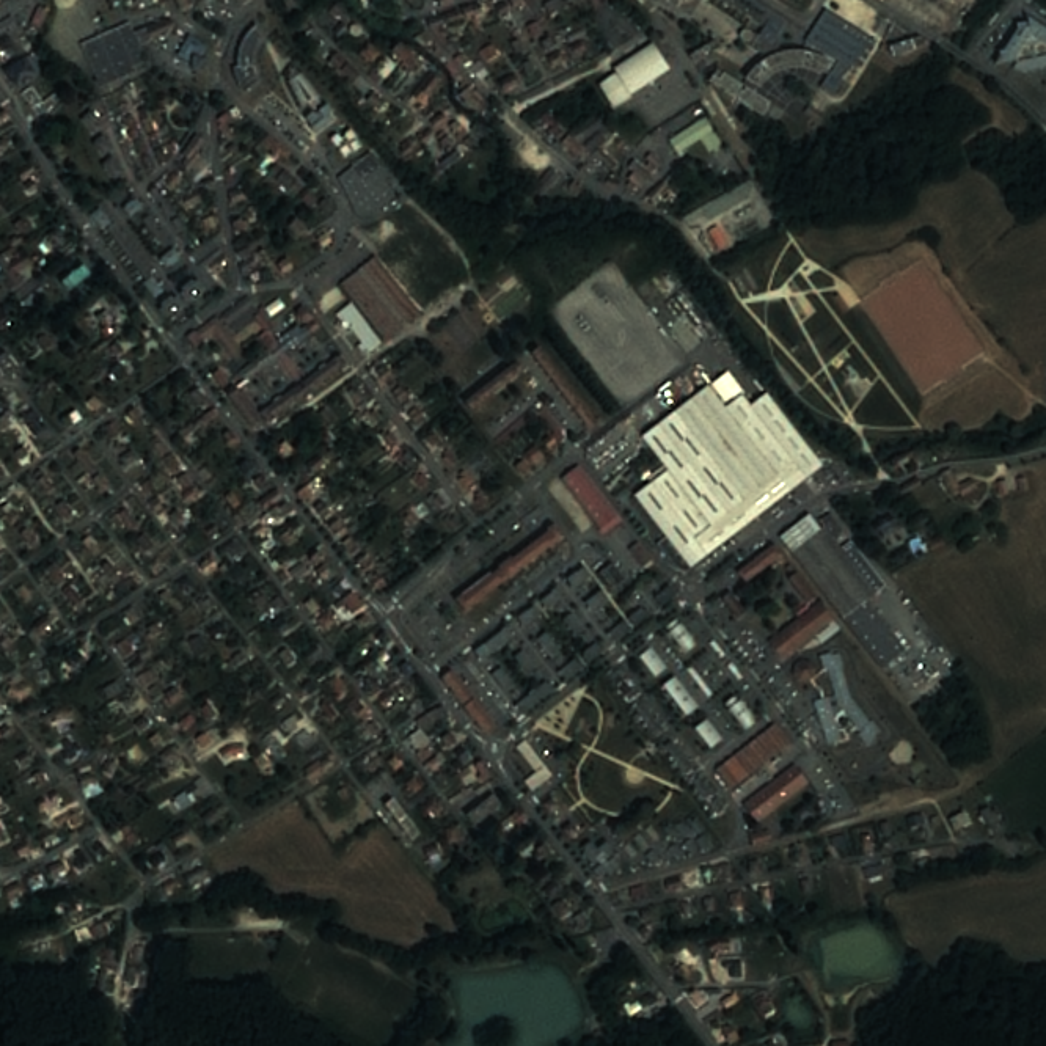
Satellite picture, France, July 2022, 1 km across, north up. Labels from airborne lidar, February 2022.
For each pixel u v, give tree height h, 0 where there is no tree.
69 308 16
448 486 0
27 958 0
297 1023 24
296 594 0
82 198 19
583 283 0
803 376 0
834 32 0
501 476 6
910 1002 15
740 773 0
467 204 12
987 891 0
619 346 0
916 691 0
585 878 0
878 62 0
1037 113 0
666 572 0
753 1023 0
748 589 18
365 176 0
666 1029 19
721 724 0
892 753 0
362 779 7
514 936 15
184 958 25
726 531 0
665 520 0
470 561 0
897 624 0
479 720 0
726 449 0
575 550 0
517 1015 0
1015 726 0
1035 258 0
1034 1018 8
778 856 0
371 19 10
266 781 6
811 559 0
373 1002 0
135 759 0
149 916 22
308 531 0
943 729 12
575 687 0
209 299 6
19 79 0
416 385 0
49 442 0
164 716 0
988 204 0
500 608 0
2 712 0
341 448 10
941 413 0
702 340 0
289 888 0
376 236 0
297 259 0
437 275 0
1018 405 0
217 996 25
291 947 0
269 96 0
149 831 0
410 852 0
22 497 0
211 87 0
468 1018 0
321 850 0
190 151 0
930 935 0
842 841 0
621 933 0
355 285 0
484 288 6
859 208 7
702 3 0
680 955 0
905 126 9
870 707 0
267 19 0
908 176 25
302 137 0
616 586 0
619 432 0
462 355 0
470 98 0
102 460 0
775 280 0
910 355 0
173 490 0
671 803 0
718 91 0
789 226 16
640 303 0
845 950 0
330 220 0
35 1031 30
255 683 7
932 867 17
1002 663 0
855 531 9
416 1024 19
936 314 0
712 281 13
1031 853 0
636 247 0
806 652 0
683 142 0
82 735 0
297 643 8
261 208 9
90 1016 26
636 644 10
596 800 0
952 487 0
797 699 0
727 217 0
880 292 0
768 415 0
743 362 7
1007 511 0
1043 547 0
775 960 0
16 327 11
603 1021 13
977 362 0
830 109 0
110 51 0
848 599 0
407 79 0
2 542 0
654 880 0
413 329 0
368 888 0
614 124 15
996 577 0
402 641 0
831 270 0
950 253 0
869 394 0
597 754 0
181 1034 26
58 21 0
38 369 13
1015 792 0
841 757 0
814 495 0
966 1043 12
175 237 0
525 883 10
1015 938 0
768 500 0
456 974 0
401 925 0
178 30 0
